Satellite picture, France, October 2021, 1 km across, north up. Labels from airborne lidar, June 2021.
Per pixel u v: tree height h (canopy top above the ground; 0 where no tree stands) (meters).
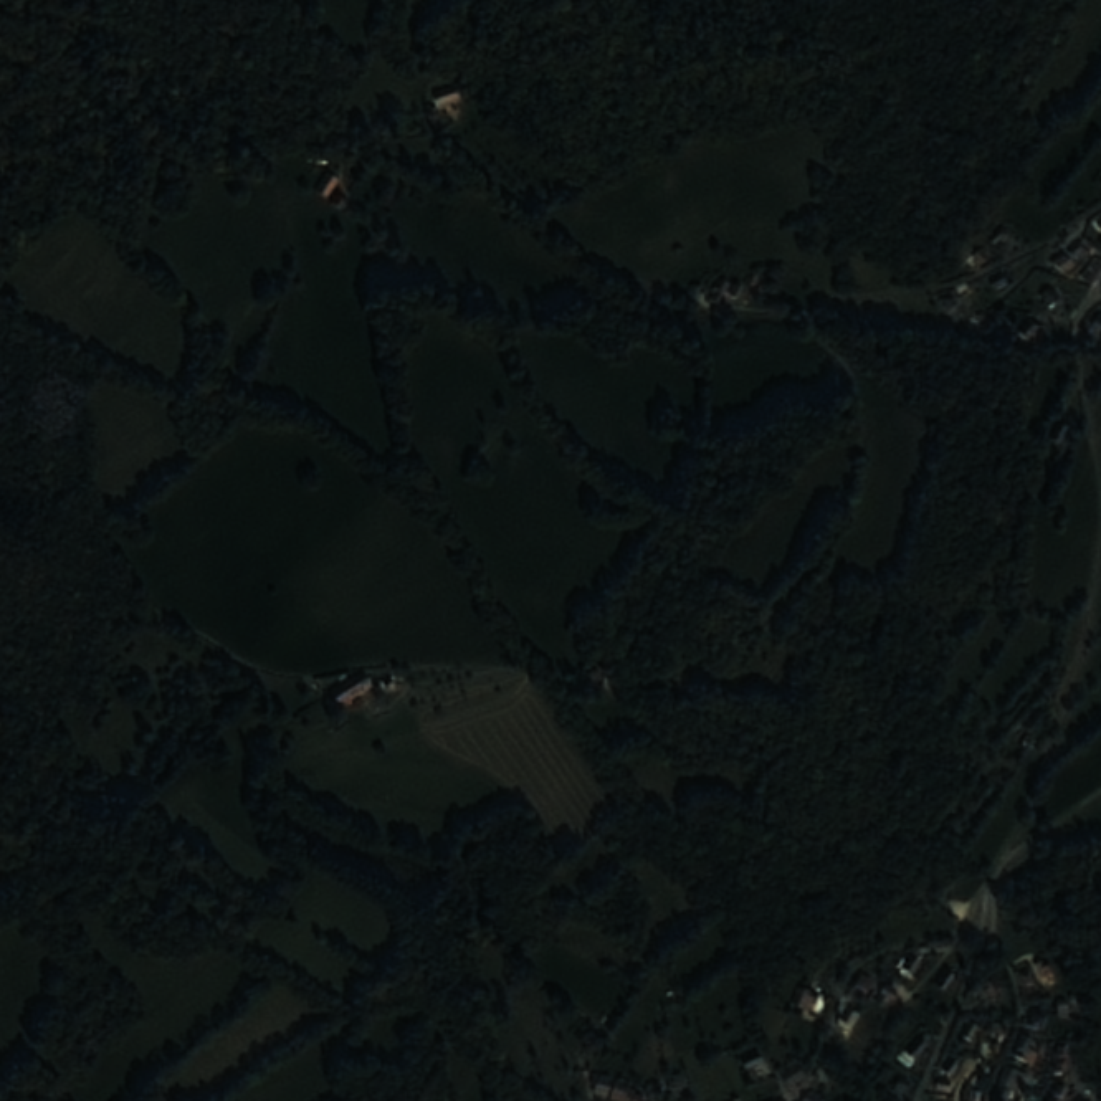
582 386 0
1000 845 0
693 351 21
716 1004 0
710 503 20
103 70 22
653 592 13
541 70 27
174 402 14
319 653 0
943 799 19
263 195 0
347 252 0
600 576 0
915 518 17
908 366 23
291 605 0
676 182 0
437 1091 13
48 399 23
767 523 0
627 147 26
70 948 20
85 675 22
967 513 24
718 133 25
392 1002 18
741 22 26
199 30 18
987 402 21
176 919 14
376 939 0
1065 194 13
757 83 22
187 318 14
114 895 21
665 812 16
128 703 14
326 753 0
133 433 0
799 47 23
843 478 0
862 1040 0
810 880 16
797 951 22
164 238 0
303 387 0
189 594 0
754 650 20
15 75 22
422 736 0
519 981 26
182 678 7
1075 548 0
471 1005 18
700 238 0
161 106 20
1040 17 16
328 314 0
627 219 0
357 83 16
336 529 0
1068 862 19
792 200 0
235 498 0
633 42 23
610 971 9
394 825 0
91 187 17
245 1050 0
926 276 18
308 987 16
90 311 0
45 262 0
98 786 12
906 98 13
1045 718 9
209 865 21
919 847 18
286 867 17
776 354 0
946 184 18
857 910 10
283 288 14
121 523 20
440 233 0
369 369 0
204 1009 0
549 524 0
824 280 0
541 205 17
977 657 0
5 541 16
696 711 20
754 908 16
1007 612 11
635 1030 0
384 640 0
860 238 17
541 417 20
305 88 18
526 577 0
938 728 17
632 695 16
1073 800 0
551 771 0
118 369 18
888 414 0
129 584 18
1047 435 15
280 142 23
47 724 21
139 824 23
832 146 9
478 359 0
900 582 22
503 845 16
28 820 21
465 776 0
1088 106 16
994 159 19
